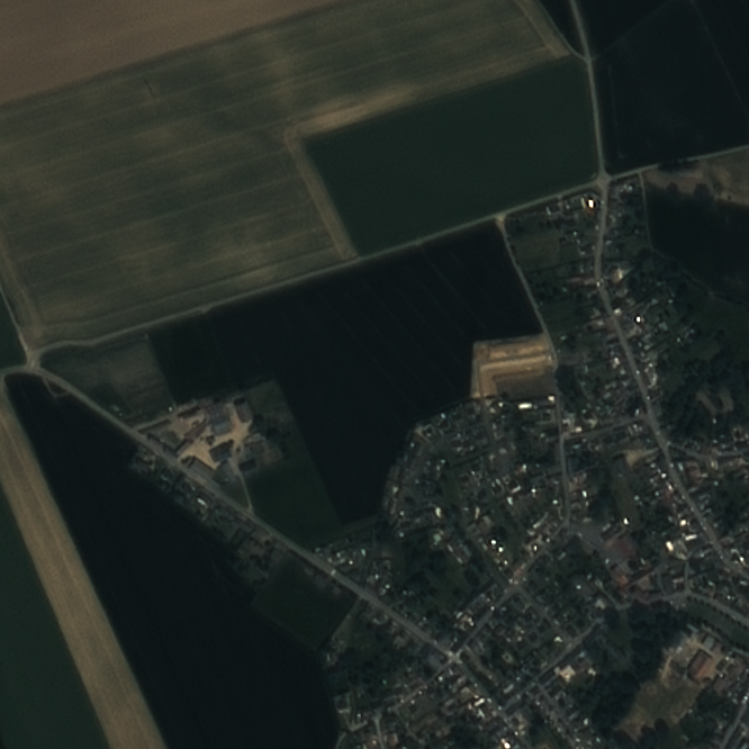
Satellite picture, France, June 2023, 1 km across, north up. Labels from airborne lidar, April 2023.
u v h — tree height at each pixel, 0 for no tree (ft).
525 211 0
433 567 38
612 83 0
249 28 0
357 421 0
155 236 0
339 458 0
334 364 0
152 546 0
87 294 0
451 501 0
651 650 64
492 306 0
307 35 0
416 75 0
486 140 0
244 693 0
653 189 0
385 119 0
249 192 0
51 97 0
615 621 76
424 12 0
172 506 0
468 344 0
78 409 0
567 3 0
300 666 0
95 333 0
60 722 0
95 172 0
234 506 0
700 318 0
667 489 0
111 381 0
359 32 0
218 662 0
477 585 43
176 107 0
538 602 0
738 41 0
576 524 0
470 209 0
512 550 0
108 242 0
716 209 0
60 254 0
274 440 40
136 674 0
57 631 0
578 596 18
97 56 0
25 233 0
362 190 0
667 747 0
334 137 0
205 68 0
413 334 0
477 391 0
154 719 0
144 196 0
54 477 0
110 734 0
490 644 20
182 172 0
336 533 0
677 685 0
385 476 0
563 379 62
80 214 0
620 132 0
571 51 0
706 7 0
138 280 0
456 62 0
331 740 0
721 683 0
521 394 0
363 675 28
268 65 0
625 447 0
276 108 0
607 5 0
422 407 0
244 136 0
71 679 0
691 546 0
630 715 0
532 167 0
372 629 18
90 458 0
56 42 0
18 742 0
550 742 0
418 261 0
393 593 39
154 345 0
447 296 0
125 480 0
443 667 0
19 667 0
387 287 0
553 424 0
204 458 0
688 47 0
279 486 0
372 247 0
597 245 0
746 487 0
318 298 0
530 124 0
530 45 0
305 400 0
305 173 0
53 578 0
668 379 0
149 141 0
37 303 0
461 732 25
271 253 0
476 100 0
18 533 0
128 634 0
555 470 0
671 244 0
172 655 0
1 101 0
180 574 0
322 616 0
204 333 0
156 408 0
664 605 65
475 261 0
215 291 0
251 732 0
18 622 0
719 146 0
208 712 0
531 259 0
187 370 0
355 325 0
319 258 0
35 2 0
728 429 19
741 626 20
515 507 0
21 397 0
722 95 0
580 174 0
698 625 24
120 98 0
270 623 0
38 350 0
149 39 0
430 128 0
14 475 0
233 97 0
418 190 0
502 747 0
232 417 0
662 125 0
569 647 0
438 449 0
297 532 0
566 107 0
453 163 0
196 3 0
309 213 0
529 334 0
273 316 0
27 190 0
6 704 0
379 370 0
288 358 0
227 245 0
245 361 0
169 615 0
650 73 0
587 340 0
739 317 0
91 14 0
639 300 0
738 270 0
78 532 0
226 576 0
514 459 0
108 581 0
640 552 32
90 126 0
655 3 0
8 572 0
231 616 0
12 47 0
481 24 0
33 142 0
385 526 40
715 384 56
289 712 0
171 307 0
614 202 0
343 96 0
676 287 26
